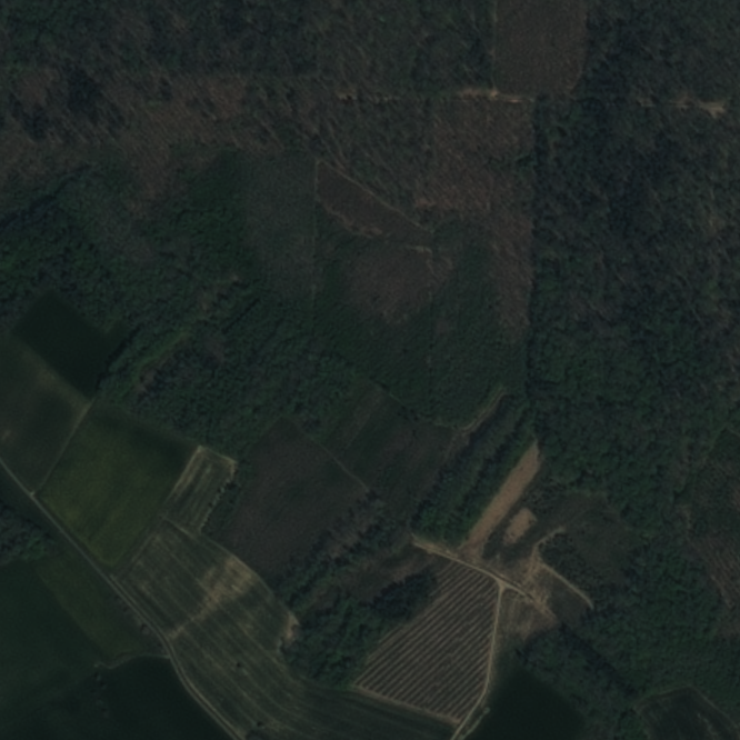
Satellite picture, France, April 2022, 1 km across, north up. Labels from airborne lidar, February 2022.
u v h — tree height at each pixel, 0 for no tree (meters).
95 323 13
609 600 7
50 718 0
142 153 12
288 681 0
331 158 29
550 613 0
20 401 0
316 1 28
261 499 0
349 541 30
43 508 0
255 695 0
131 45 27
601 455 28
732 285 27
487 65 21
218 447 23
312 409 26
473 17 23
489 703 0
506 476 27
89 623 0
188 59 24
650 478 26
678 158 24
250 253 15
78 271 12
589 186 24
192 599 0
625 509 30
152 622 0
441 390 12
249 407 26
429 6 31
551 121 24
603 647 29
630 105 22
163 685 0
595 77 20
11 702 0
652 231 25
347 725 0
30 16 23
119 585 0
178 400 22
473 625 0
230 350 19
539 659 26
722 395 27
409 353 10
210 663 0
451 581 0
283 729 0
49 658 0
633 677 11
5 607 0
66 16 22
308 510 0
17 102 25
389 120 29
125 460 0
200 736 0
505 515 0
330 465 0
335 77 26
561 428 25
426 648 0
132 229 29
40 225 26
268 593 0
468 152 19
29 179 10
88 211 33
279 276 14
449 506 28
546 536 0
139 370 18
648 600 29
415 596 18
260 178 16
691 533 7
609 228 21
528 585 0
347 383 25
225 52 30
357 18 28
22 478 0
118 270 24
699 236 9
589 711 24
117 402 17
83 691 0
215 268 24
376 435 0
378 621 27
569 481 32
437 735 0
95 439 0
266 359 22
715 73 26
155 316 21
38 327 0
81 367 0
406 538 27
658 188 27
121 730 0
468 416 12
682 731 0
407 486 0
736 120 29
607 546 0
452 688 0
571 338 23
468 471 27
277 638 0
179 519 0
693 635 14
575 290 25
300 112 17
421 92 27
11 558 25
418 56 30
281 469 0
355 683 19
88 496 0
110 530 0
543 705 0
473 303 12
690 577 26
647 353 23
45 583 0
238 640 0
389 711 0
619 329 28
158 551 0
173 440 0
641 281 25
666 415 28
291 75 26
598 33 30
